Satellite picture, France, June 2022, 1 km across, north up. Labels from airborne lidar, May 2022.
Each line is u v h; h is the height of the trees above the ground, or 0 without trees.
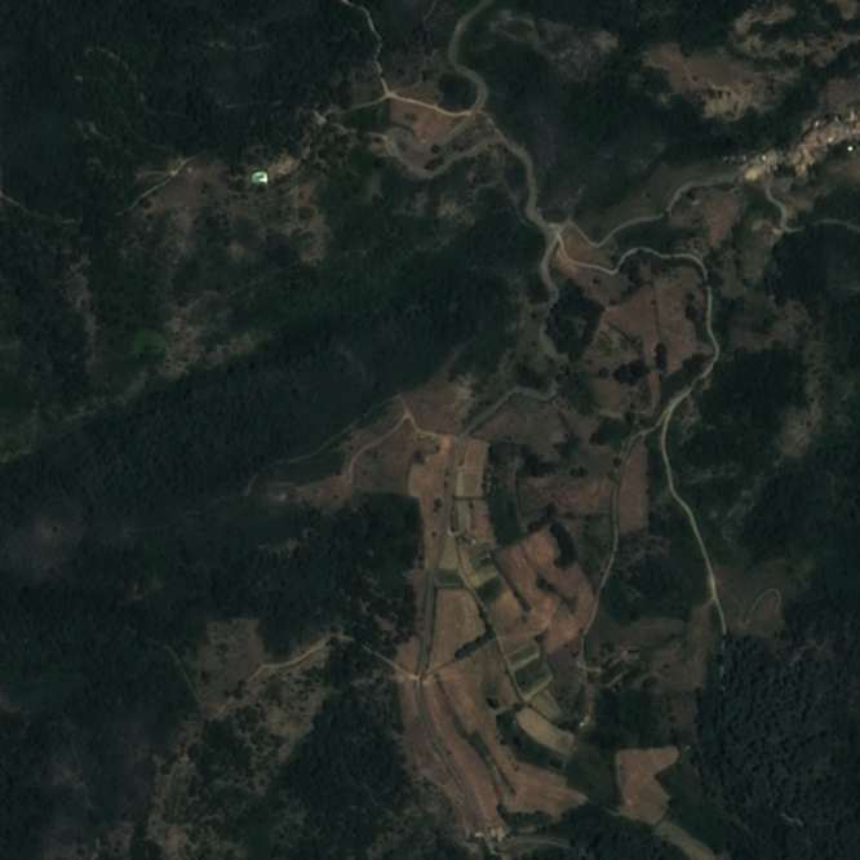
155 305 6
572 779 0
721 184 0
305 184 0
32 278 7
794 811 22
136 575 9
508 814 14
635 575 7
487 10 0
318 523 6
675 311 0
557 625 0
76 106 7
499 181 0
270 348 13
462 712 0
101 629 12
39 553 0
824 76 9
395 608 8
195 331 0
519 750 0
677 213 0
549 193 0
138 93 8
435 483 0
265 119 6
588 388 9
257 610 9
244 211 0
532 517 0
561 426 0
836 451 11
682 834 0
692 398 6
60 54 11
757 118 10
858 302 8
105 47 10
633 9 9
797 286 12
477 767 0
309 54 8
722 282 8
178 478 7
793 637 8
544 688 0
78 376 11
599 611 0
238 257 0
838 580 6
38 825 7
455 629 0
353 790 7
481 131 0
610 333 0
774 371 9
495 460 9
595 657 5
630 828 7
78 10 8
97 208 11
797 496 9
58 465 6
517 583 0
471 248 6
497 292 10
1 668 10
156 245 8
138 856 8
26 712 6
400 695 0
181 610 7
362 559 7
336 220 0
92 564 9
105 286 9
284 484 0
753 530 8
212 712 0
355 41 6
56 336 11
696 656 0
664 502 0
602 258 0
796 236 11
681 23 8
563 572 0
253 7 9
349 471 0
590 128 8
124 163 6
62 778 0
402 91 0
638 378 11
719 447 8
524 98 7
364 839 9
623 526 0
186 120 9
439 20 0
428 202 0
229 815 9
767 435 6
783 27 6
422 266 11
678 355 0
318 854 11
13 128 6
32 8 6
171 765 6
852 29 9
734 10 9
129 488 8
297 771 13
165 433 6
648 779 0
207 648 0
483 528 0
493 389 0
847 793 6
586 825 9
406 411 0
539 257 7
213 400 9
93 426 7
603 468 0
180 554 6
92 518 7
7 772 10
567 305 11
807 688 17
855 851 29
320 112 6
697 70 0
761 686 16
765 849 12
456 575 0
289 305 6
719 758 10
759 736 20
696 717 6
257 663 0
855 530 7
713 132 8
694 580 0
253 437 7
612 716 11
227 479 6
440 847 10
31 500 6
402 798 6
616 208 0
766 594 0
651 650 0
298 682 9
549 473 8
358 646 9
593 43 0
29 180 8
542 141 0
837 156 8
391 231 10
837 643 6
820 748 26
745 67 0
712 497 0
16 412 0
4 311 7
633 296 9
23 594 16
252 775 10
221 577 9
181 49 6
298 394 9
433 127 0
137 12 17
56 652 10
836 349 7
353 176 9
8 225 7
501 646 0
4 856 7
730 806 7
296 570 8
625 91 9
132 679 7
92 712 6
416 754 0
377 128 0
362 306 10
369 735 8
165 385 8
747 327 0
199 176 0
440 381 0
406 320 6
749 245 0
